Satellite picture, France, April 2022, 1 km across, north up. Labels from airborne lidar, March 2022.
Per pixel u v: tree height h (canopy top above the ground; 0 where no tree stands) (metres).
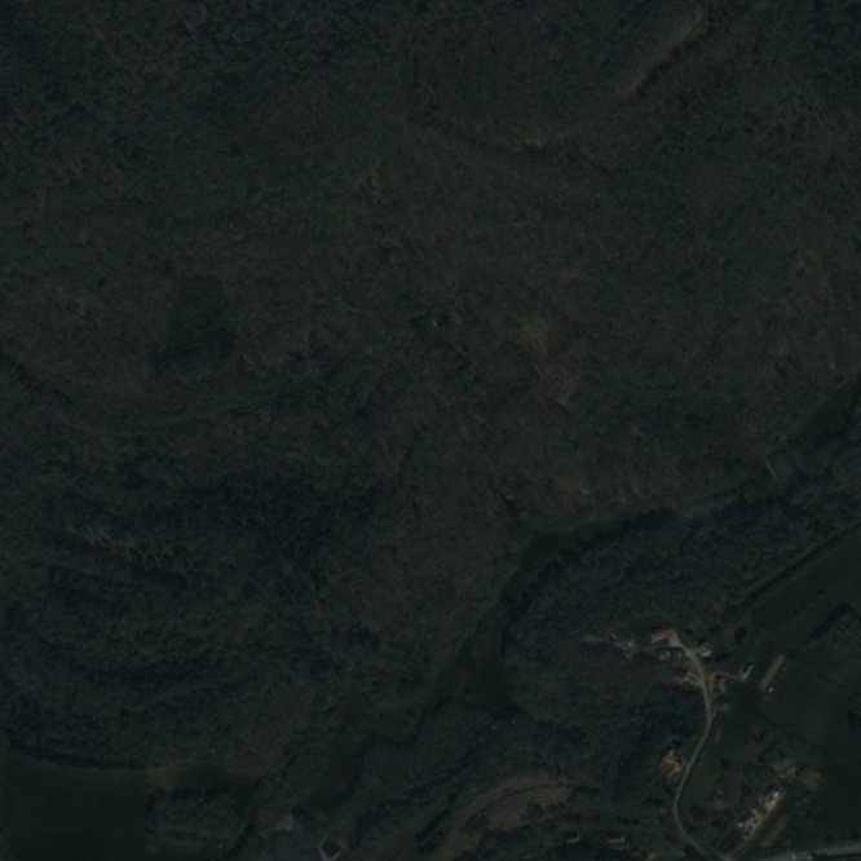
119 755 26
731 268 25
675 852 0
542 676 23
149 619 20
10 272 14
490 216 25
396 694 19
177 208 24
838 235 21
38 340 21
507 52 23
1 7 24
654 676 23
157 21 29
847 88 24
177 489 22
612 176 25
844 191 25
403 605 23
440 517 24
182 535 19
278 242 23
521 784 0
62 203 21
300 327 23
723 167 23
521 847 19
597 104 32
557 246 22
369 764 21
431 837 8
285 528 30
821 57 13
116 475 20
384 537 23
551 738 23
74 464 11
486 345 22
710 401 27
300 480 24
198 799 17
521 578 0
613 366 24
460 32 19
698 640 0
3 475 24
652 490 25
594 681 23
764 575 18
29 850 0
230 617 24
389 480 15
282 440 24
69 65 21
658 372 23
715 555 25
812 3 25
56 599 23
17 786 0
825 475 17
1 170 25
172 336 17
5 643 20
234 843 0
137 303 19
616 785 27
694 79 22
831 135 32
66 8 21
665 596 19
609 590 22
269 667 23
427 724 17
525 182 21
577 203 18
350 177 25
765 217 26
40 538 26
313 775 18
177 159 20
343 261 28
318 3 25
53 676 23
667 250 27
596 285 25
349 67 25
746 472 22
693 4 21
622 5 22
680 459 24
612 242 21
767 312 26
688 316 21
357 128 20
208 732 21
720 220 26
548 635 19
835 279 20
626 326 21
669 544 15
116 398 20
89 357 17
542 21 23
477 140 21
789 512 10
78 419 20
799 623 0
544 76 20
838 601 0
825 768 0
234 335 22
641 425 25
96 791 0
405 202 28
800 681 0
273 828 0
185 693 16
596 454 22
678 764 0
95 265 20
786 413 22
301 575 20
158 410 23
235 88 16
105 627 19
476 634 14
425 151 22
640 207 23
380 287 34
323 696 19
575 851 17
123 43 25
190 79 20
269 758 28
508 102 17
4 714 26
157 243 23
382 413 33
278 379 21
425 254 26
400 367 25
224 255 25
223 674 22
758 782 21
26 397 19
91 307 17
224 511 24
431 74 20
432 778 23
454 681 0
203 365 23
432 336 32
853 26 21
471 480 24
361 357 26
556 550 0
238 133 17
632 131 24
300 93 22
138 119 22
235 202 21
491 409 16
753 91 25
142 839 0
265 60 25
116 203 12
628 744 24
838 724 0
